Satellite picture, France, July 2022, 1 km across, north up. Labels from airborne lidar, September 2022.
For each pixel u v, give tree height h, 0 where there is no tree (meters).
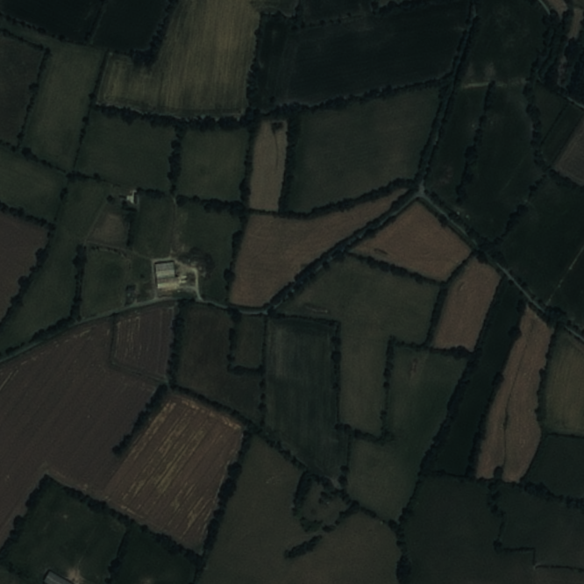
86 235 0
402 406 0
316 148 0
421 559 0
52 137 0
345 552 0
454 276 6
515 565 0
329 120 0
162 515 0
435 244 0
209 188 0
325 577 0
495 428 0
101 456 0
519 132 0
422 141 0
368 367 0
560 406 0
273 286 0
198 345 0
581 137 0
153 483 0
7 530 0
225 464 0
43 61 7
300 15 10
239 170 0
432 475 9
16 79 0
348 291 0
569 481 0
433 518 0
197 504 0
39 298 0
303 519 5
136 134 0
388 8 11
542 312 10
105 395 0
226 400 0
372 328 0
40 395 0
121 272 0
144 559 0
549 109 0
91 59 0
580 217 0
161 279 0
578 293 0
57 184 0
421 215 0
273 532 0
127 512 0
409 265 0
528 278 0
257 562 0
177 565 0
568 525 0
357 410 0
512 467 0
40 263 11
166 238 0
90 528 0
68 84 0
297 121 15
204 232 0
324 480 12
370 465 0
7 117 0
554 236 0
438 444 14
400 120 0
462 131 0
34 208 0
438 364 0
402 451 0
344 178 0
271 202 0
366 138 0
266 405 10
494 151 0
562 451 0
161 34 15
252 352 0
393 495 0
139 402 0
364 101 9
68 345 0
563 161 0
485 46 0
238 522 0
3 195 0
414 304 0
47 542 0
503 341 0
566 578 0
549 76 18
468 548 0
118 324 0
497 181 0
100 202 0
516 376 0
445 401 0
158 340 0
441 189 0
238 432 0
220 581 0
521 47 0
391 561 0
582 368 0
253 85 16
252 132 14
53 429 0
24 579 6
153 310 0
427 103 0
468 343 0
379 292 0
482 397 0
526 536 0
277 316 12
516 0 0
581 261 0
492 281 0
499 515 16
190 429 0
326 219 0
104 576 0
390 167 0
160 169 0
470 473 16
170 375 22
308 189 0
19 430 0
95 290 0
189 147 0
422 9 11
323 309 0
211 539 15
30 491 0
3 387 0
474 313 0
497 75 0
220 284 0
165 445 0
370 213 0
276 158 0
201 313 0
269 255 0
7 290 0
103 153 0
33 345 0
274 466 0
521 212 15
